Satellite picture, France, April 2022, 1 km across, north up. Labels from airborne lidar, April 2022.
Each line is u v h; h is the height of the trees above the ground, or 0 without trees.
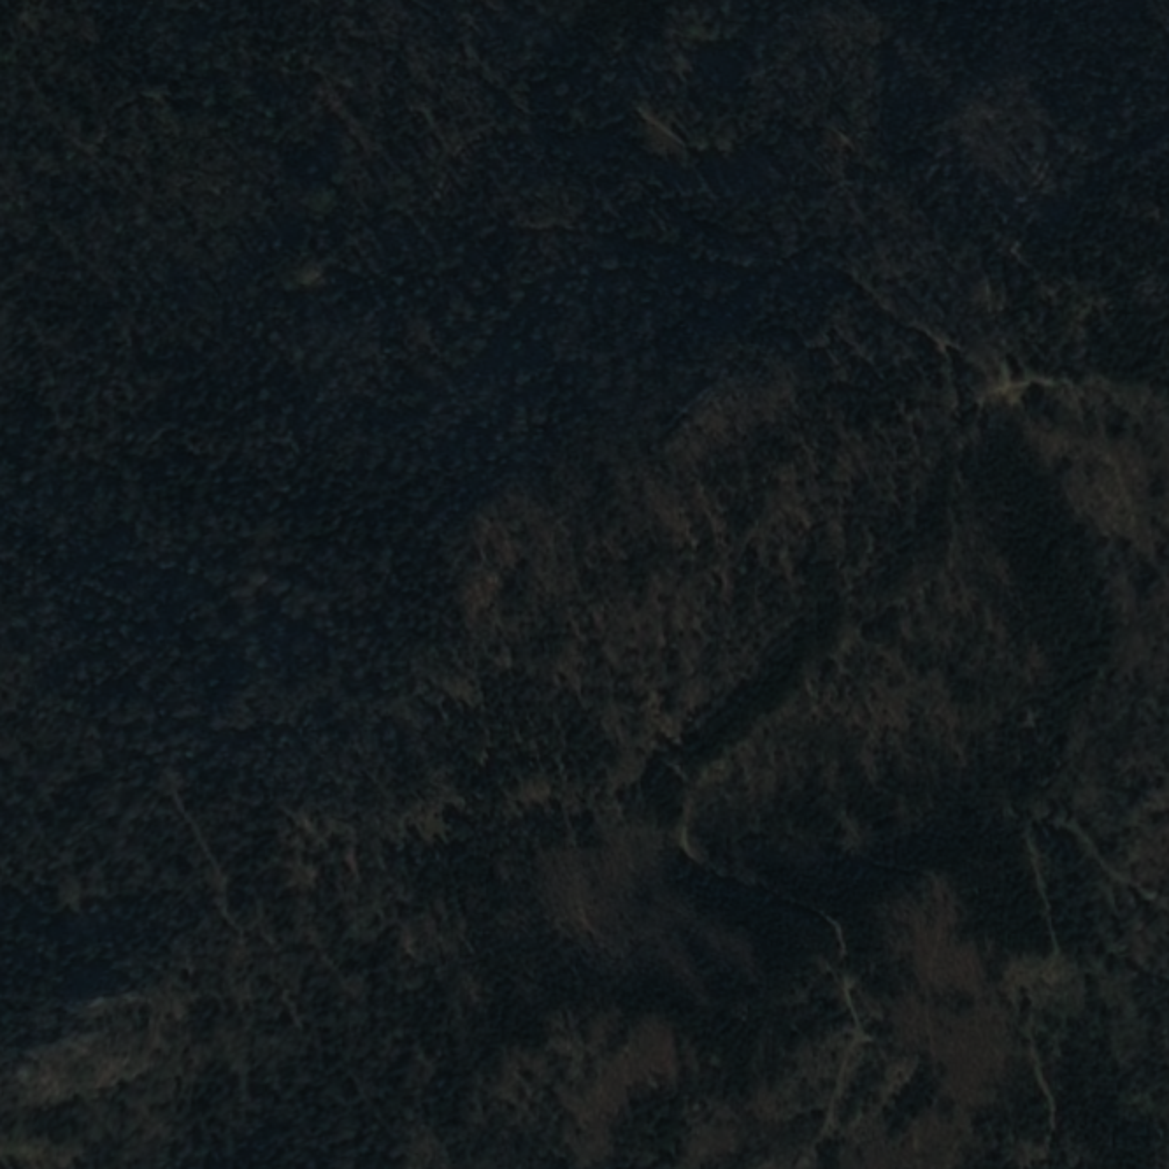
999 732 23
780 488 24
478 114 9
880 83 27
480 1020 25
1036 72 28
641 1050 25
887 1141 17
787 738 25
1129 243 19
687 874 19
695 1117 20
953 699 22
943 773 20
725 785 28
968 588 19
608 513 27
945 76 23
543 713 31
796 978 15
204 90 20
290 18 18
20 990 27
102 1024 13
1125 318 25
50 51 6
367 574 12
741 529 29
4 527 32
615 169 19
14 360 15
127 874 24
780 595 31
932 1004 20
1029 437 19
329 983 17
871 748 21
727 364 25
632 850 22
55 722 18
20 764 24
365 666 30
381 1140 21
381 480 23
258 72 10
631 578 28
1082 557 32
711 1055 19
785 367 28
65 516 33
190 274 14
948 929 17
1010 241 9
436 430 24
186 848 16
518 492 23
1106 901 12
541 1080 20
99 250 14
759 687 26
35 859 19
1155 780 15
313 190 32
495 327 29
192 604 28
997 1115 21
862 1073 17
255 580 24
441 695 14
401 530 19
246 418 11
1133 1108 22
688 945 21
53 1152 10
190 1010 16
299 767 27
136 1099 23
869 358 7
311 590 29
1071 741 31
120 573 22
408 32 23
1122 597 28
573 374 30
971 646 17
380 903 22
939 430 28
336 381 27
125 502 27
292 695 26
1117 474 12
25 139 26
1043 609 23
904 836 21
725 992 29
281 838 9
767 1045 18
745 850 23
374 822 22
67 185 12
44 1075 7
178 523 23
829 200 34
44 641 9
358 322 28
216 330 15
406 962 23
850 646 22
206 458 8
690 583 28
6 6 9
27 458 28
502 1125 29
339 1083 27
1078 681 21
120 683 9
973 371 26
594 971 24
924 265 33
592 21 10
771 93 32
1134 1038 15
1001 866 22
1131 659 11
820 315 28
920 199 30
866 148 31
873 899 16
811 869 22
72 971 26
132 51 9
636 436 28
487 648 25
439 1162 17
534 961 29
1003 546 22
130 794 10
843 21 32
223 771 15
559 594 28
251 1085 12
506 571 17
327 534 11
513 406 8
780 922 19
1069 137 22
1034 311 17
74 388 16
